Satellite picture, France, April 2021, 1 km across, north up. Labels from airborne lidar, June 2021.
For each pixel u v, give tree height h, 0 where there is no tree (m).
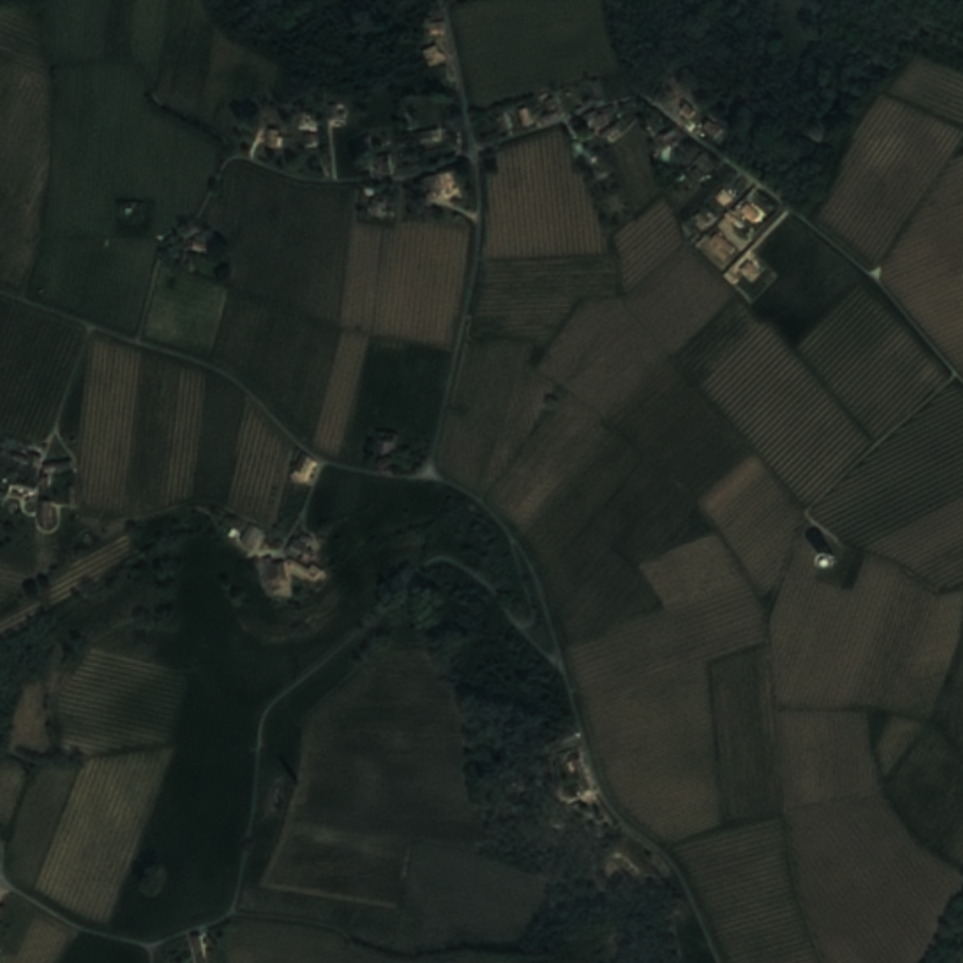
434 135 0
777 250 0
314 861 0
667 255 0
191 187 0
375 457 18
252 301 0
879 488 0
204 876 0
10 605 0
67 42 0
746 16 25
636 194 0
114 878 0
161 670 0
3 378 0
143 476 0
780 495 0
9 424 0
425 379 0
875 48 19
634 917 14
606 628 0
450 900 0
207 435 0
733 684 0
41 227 0
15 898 0
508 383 0
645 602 0
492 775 19
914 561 0
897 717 0
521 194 0
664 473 0
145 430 0
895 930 0
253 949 0
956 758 0
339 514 0
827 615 0
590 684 0
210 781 0
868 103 10
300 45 8
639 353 0
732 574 0
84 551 12
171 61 0
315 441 0
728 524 0
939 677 0
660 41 15
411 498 0
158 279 0
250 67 0
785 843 0
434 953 12
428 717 0
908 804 0
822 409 0
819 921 0
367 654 17
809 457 0
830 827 0
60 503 0
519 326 0
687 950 0
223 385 0
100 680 0
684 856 0
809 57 8
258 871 0
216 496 0
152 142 0
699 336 0
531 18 0
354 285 0
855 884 0
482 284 0
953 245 0
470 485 0
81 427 0
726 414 0
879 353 0
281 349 0
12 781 0
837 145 10
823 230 0
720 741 0
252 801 0
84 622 0
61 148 0
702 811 0
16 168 0
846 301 0
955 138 0
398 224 0
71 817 0
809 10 0
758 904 0
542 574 0
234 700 0
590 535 0
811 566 0
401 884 0
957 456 0
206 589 0
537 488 0
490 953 12
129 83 0
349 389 0
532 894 0
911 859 0
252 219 0
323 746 0
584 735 0
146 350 0
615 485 0
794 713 0
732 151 12
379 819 0
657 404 0
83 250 0
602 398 0
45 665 21
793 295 0
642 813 0
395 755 0
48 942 0
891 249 0
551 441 0
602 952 0
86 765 15
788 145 16
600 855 16
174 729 0
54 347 0
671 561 0
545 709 6
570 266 0
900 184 0
